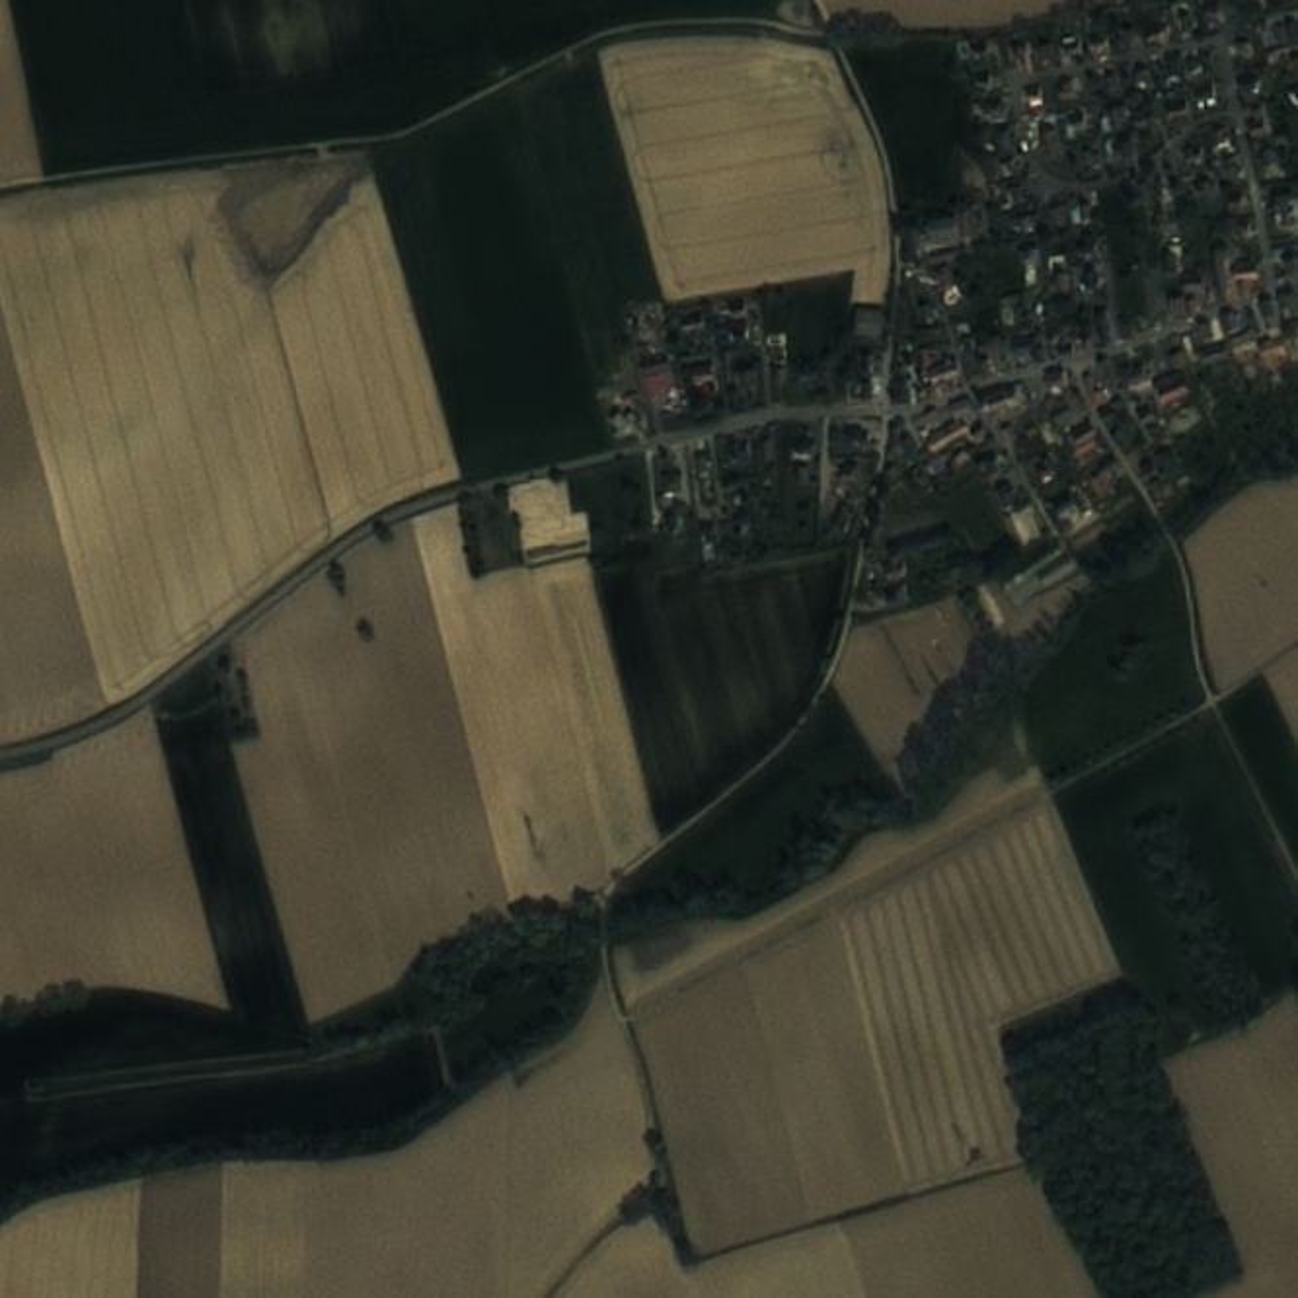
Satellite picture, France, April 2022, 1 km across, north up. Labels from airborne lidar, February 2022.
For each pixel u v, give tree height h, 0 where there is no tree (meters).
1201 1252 28
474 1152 0
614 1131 0
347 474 0
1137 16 6
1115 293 0
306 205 0
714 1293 0
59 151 0
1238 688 0
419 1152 0
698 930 0
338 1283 0
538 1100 0
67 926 0
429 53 0
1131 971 0
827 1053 0
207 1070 0
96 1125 0
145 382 0
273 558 0
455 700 0
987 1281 0
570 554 0
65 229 0
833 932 0
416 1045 0
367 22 0
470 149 0
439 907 0
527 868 0
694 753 0
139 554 0
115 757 0
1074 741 0
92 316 0
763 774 0
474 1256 0
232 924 0
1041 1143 22
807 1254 0
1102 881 0
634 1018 0
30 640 0
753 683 0
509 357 0
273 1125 0
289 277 0
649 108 0
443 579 0
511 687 0
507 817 0
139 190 0
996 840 0
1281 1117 0
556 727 0
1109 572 16
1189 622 0
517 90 0
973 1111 0
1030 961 0
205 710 0
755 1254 0
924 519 0
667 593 0
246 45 0
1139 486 0
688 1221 0
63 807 0
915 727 0
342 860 0
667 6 0
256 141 0
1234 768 0
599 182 0
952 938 0
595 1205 0
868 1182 0
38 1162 0
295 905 0
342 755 0
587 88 0
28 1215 0
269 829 0
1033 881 0
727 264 0
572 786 0
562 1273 0
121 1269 0
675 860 0
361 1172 0
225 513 0
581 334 0
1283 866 0
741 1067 0
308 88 0
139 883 0
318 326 0
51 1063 0
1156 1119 30
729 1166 0
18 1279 0
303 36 0
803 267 0
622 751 0
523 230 0
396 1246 0
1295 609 0
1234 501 0
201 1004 0
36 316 0
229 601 0
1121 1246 11
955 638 0
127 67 0
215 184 0
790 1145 0
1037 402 0
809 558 0
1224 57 0
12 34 0
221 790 0
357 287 0
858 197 0
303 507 0
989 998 0
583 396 0
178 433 0
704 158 0
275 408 0
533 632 0
